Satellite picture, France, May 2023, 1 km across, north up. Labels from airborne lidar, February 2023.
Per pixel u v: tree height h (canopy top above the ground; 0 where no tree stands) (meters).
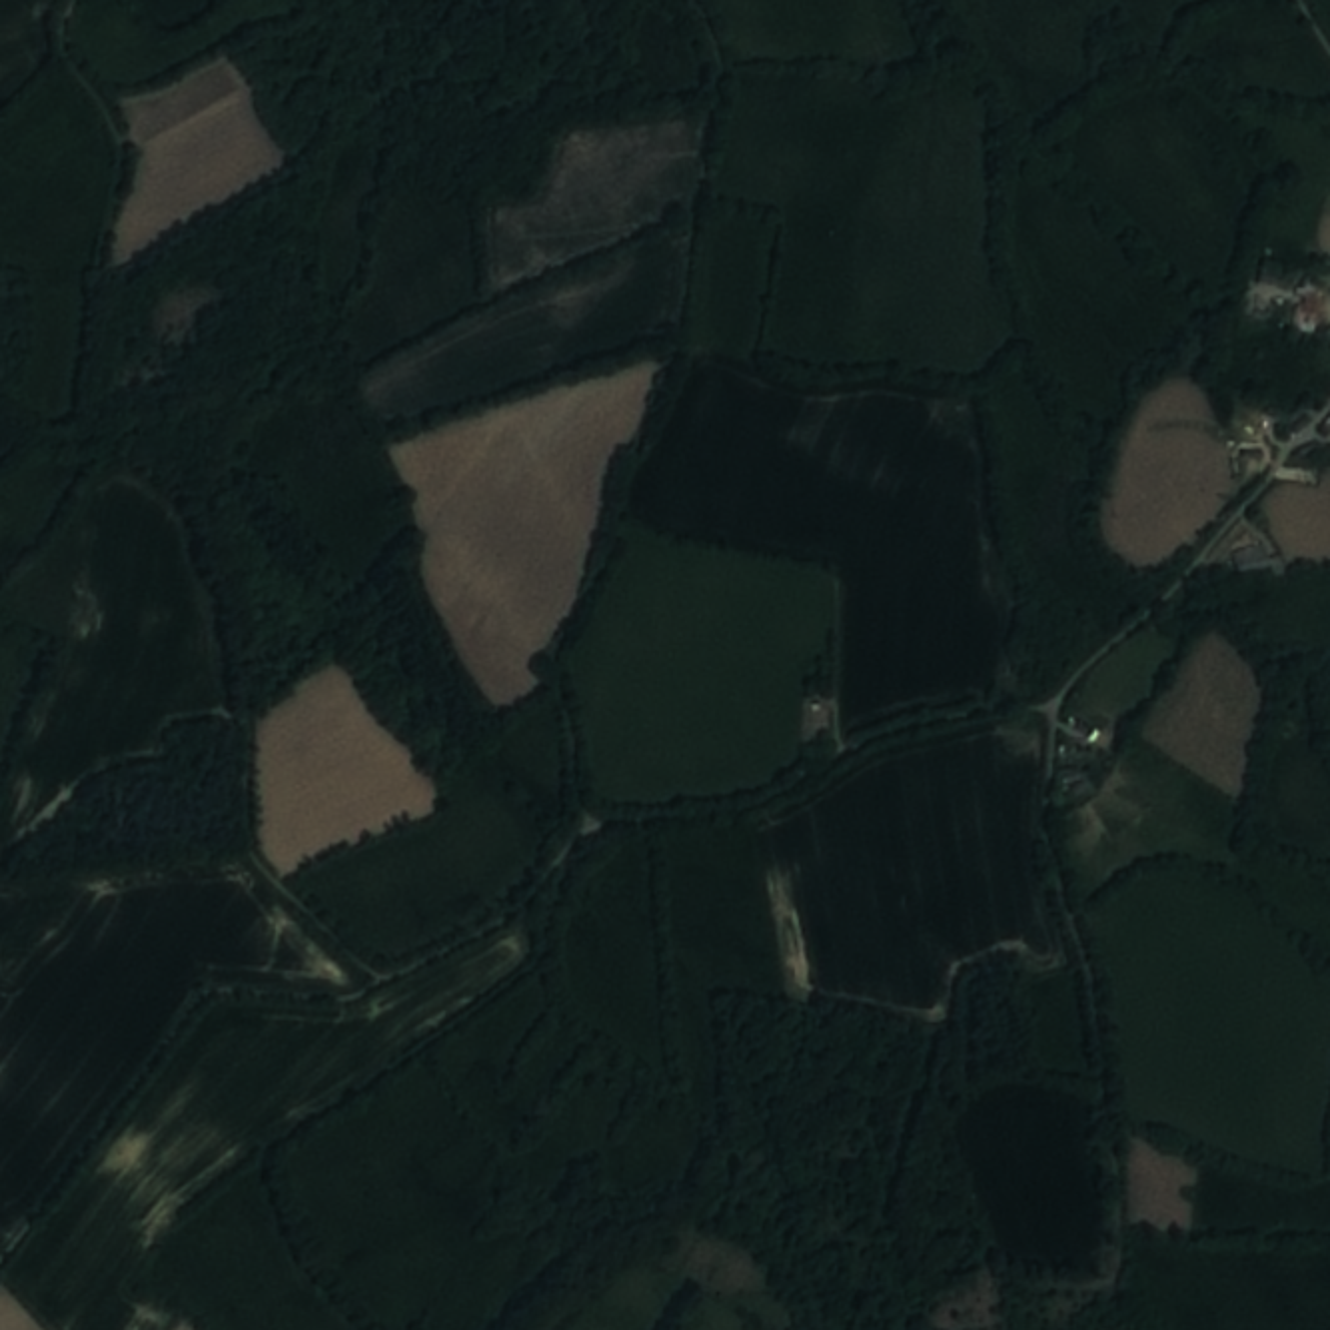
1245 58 0
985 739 0
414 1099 0
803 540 0
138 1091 9
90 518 0
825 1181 6
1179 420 0
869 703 0
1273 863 8
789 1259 7
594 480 0
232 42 13
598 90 12
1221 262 0
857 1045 19
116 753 0
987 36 0
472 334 0
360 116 11
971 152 0
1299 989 0
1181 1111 0
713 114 13
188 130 0
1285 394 0
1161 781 0
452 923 0
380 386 0
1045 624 13
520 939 0
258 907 0
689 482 0
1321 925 0
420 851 0
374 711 17
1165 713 0
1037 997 0
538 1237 13
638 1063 10
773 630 0
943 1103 12
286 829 0
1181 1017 0
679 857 0
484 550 0
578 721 7
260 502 28
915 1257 14
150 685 0
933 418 0
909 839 0
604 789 0
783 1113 18
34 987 0
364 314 0
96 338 18
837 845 0
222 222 16
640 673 0
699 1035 0
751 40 0
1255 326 0
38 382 0
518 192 11
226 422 20
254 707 14
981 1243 15
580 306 0
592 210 0
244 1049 0
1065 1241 0
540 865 9
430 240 0
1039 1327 7
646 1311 0
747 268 0
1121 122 0
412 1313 0
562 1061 0
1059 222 0
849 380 10
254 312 19
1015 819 0
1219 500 0
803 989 0
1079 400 0
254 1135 0
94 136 0
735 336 0
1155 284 0
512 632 0
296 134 9
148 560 0
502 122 18
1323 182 0
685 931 0
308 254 10
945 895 0
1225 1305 0
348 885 0
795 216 0
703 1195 16
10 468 15
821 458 0
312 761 0
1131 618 9
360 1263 0
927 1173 18
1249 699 0
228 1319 0
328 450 0
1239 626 8
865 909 0
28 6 0
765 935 0
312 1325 0
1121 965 0
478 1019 6
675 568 0
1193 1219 0
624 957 0
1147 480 0
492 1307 0
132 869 8
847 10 0
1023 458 0
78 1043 0
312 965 0
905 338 0
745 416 0
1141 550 0
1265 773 9
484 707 7
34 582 0
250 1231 0
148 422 17
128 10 12
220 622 18
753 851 0
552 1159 0
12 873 12
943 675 0
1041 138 15
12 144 0
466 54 13
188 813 18
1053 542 0
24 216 0
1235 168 7
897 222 0
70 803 6
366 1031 0
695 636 0
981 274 0
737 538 0
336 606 20
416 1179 0
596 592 12
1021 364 10
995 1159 0
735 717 0
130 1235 0
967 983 9
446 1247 0
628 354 13
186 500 18
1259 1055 0
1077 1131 0
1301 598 0
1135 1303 10
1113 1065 9
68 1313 0
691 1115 9
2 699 0
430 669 32
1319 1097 0
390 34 14
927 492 0
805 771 14
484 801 0
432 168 17
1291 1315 0
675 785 0
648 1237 19
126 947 0
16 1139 0
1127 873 7
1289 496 0
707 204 13
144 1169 0
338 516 0
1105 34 14
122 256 0
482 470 0
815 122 0
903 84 16
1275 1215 0
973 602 0
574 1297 19
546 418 0
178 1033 8
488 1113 0
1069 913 11
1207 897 0
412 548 17
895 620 0
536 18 12
